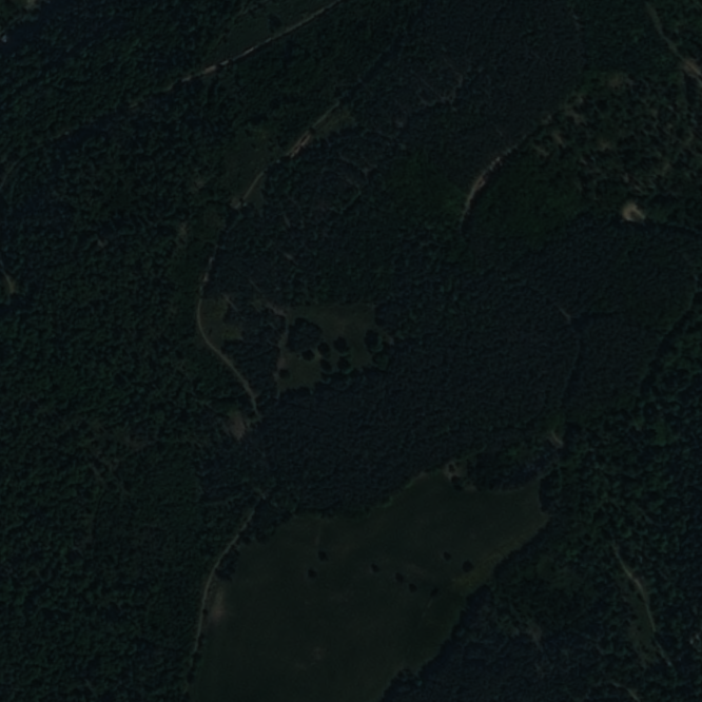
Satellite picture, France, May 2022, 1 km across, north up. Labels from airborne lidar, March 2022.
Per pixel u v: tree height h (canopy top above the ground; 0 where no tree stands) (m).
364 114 17
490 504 0
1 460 23
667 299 22
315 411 22
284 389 0
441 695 34
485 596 23
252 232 13
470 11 20
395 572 0
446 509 0
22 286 20
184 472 7
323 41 12
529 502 0
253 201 0
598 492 32
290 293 10
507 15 17
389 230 14
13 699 28
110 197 13
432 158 23
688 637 32
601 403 24
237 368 15
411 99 18
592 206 17
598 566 22
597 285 26
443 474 0
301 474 25
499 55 22
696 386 29
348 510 20
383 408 26
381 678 0
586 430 22
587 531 25
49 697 18
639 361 27
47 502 26
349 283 17
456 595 0
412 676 19
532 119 24
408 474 30
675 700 38
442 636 0
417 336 10
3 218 22
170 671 9
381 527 0
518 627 24
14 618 29
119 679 23
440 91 13
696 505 29
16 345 30
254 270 20
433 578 0
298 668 0
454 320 23
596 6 22
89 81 29
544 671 28
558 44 23
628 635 16
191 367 7
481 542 0
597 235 27
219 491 17
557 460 17
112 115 32
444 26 21
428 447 27
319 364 0
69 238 28
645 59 20
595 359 30
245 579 0
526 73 23
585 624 10
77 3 30
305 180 17
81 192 31
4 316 32
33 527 24
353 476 29
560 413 8
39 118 31
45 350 30
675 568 26
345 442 30
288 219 15
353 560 0
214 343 0
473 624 29
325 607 0
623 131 32
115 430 11
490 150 25
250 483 21
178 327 7
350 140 15
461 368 24
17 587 32
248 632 0
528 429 31
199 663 15
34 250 26
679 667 36
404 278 21
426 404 23
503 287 24
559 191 25
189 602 8
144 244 28
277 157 0
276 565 0
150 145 31
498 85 16
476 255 19
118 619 28
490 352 27
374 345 24
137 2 19
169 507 10
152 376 23
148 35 26
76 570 22
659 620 18
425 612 0
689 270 20
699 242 19
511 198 15
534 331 25
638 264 26
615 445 9
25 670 28
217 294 15
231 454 23
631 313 23
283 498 22
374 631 0
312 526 0
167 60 14
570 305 30
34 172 8
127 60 28
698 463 28
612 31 18
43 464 24
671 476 35
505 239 21
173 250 28
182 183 32
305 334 16
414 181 17
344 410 24
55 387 25
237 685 0
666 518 30
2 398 23
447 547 0
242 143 0
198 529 5
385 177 18
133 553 10
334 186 21
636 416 32
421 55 12
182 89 10
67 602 31
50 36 29
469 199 0
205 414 23
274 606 0
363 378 18
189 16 20
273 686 0
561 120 10
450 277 19
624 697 17
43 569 28
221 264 17
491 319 24
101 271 26
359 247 14
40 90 33
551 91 24
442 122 16
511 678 22
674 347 32
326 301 16
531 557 23
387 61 17
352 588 0
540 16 26
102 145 31
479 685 30
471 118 15
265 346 18
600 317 25
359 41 9
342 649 0
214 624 0
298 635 0
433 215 14
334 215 18
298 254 15
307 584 0
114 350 29
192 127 32
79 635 28
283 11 0
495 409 28
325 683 0
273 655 0
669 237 21
